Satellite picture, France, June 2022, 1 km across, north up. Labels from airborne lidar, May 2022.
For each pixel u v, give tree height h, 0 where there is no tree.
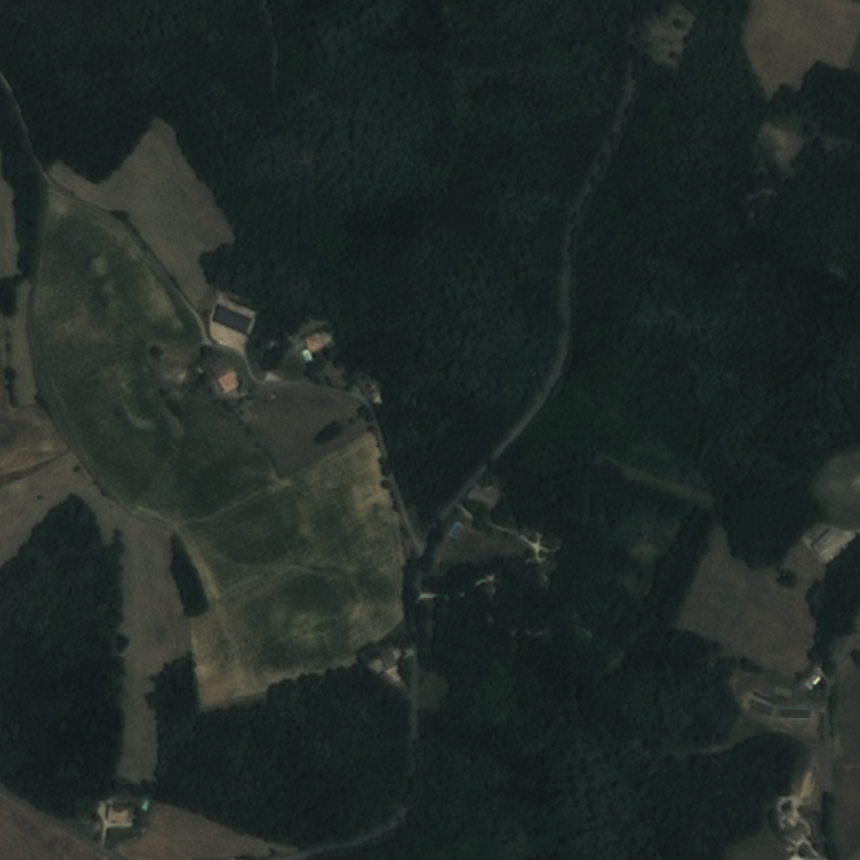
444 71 15
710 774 21
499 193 15
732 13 23
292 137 16
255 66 12
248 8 8
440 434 25
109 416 0
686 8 16
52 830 0
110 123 9
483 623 18
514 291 13
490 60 23
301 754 15
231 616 0
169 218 0
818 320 16
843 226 7
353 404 0
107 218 0
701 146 26
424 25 11
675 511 14
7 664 13
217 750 22
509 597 17
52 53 8
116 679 11
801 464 16
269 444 0
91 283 0
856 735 0
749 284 7
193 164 10
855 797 0
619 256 9
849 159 12
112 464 0
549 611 14
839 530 0
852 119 13
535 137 6
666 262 11
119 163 10
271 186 16
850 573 17
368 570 0
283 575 0
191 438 0
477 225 8
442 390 22
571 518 23
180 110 13
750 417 21
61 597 15
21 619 17
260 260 9
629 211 12
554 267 15
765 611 0
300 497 0
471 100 19
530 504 23
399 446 21
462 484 12
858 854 0
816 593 19
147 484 0
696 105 24
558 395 6
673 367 7
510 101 11
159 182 0
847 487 0
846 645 0
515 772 11
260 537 0
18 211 7
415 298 11
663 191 9
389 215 25
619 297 8
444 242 15
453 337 32
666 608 24
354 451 0
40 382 0
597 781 23
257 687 0
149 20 7
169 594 0
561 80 12
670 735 28
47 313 0
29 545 13
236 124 16
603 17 17
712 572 0
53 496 0
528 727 9
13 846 0
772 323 12
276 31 10
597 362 9
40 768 13
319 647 0
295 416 0
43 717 13
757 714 0
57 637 14
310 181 20
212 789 18
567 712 18
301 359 0
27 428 0
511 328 24
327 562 0
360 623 0
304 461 0
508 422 13
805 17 0
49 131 11
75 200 0
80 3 11
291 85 7
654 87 12
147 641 0
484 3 20
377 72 12
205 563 0
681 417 7
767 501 25
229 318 0
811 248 16
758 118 13
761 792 11
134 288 0
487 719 20
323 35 21
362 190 15
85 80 10
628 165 9
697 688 11
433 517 8
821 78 16
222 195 16
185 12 12
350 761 17
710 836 17
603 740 18
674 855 24
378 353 12
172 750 16
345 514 0
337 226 15
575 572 20
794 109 8
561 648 9
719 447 28
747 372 12
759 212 18
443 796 15
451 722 8
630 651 15
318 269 13
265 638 0
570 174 6
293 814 13
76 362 0
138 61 9
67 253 0
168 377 0
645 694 19
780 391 29
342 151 24
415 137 16
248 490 0
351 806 21
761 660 0
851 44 0
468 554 0
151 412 0
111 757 11
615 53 17
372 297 8
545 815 21
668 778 25
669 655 22
